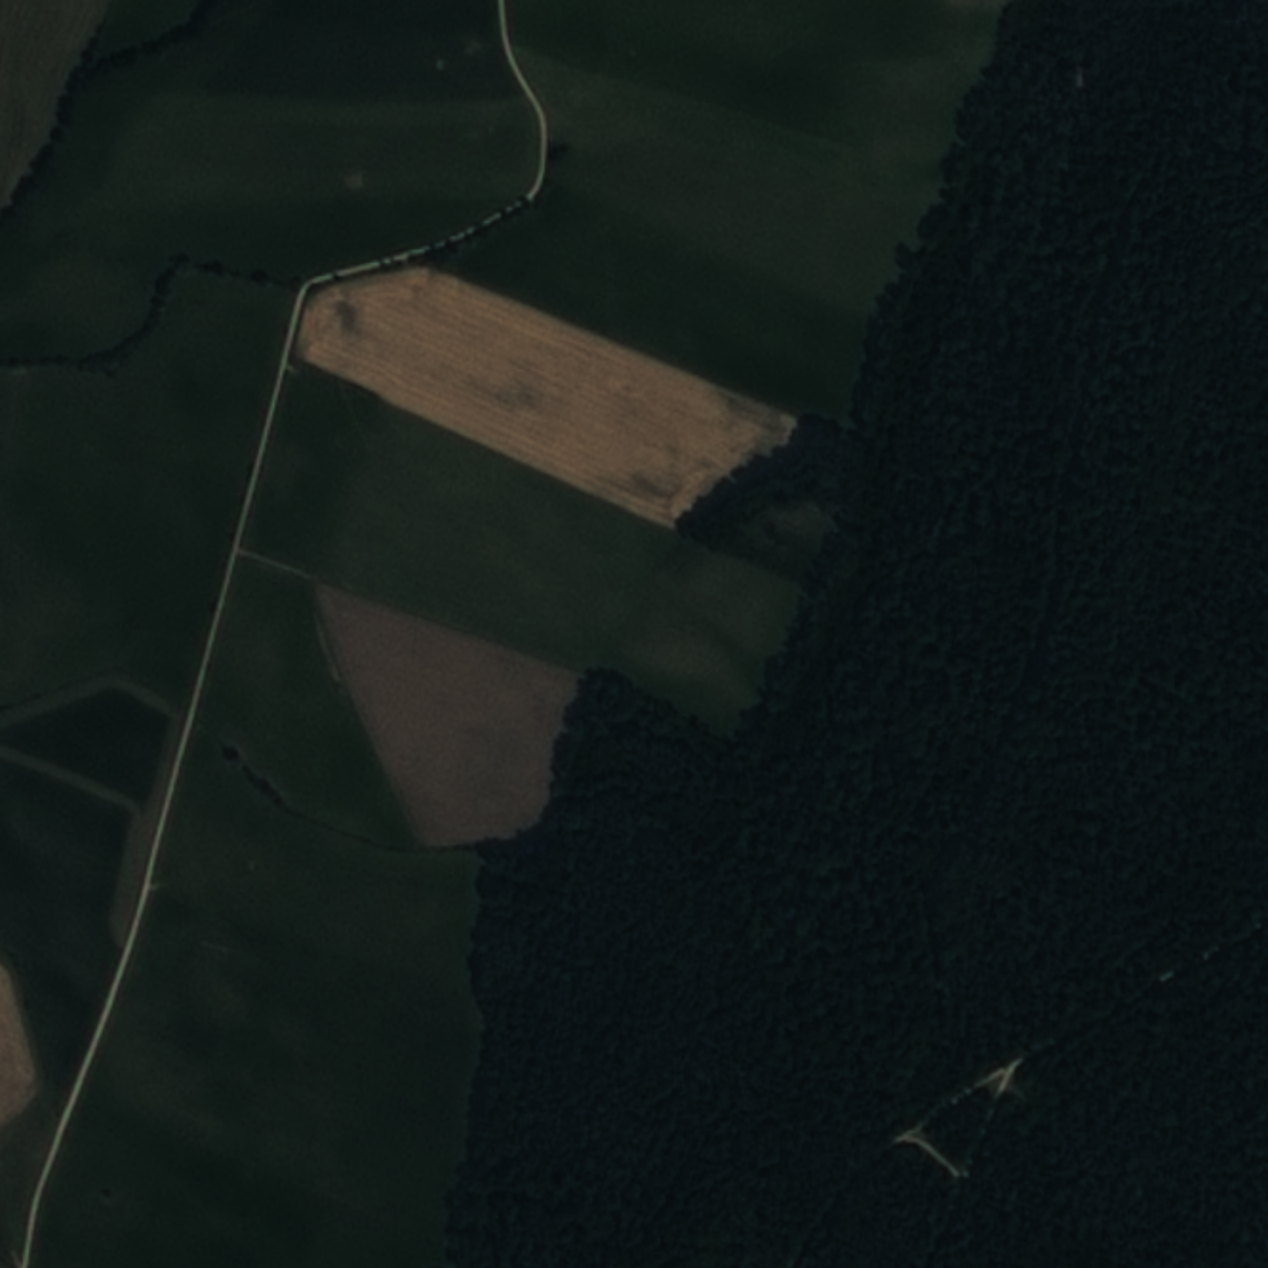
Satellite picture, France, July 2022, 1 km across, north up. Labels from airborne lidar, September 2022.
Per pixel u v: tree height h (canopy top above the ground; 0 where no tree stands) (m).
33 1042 0
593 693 21
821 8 0
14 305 0
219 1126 0
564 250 0
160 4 0
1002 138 18
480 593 0
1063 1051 12
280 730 0
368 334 0
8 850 0
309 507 0
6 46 0
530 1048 22
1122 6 18
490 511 0
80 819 0
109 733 0
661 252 0
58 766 0
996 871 17
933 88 0
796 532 0
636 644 0
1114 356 27
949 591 19
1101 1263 24
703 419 0
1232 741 20
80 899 0
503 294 0
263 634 0
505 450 0
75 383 0
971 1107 16
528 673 0
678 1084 25
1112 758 20
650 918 26
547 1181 18
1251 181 25
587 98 0
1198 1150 18
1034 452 24
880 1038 26
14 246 0
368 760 0
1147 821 23
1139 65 20
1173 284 23
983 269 25
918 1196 15
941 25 0
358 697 0
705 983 19
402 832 0
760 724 27
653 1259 27
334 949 0
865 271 0
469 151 0
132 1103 0
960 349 19
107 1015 0
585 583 0
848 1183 17
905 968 26
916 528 25
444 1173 0
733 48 0
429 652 0
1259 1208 23
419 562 0
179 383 0
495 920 24
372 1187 0
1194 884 16
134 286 0
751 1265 15
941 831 9
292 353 0
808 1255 14
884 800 25
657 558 0
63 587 0
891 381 15
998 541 21
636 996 25
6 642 0
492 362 0
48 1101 0
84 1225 0
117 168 0
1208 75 25
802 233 0
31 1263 0
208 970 0
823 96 0
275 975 0
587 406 0
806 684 12
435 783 0
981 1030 19
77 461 0
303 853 0
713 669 0
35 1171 0
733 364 0
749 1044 22
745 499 22
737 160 0
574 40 0
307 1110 0
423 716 0
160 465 0
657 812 25
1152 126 21
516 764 0
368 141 0
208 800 0
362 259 0
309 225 0
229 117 0
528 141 0
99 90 0
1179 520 10
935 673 16
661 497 0
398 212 0
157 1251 0
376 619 0
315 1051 0
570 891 21
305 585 0
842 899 18
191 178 0
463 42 0
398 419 0
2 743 0
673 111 0
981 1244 20
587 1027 25
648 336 0
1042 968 19
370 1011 0
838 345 0
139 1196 0
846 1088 23
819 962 27
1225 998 21
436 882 0
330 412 0
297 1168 0
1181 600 12
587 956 23
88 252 0
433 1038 0
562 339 0
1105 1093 20
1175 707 20
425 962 0
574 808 25
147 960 0
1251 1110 23
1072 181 22
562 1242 22
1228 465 15
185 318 0
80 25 0
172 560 0
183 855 0
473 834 0
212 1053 0
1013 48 10
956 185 21
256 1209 0
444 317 0
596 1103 23
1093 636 20
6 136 0
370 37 0
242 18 0
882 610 17
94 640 0
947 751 29
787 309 0
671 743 24
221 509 0
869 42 0
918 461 17
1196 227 25
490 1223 23
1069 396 19
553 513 0
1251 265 19
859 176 0
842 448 23
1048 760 13
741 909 23
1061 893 18
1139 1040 21
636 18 0
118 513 0
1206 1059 13
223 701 0
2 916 0
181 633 0
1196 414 13
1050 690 25
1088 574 23
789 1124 22
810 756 23
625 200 0
